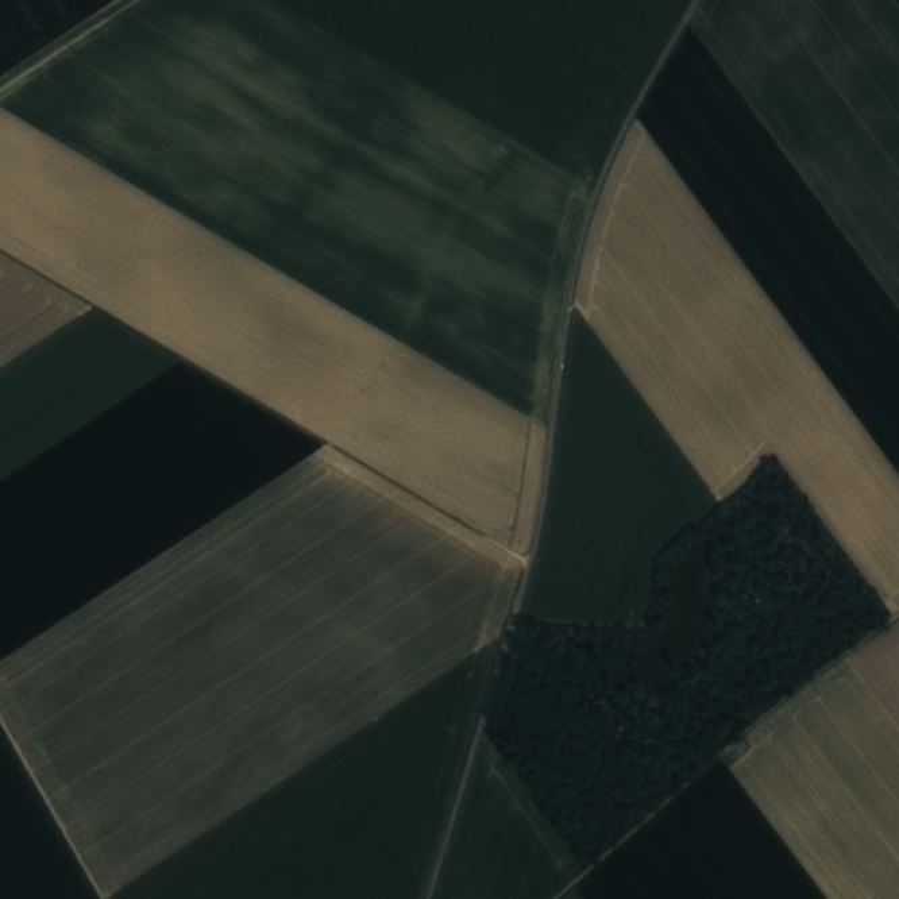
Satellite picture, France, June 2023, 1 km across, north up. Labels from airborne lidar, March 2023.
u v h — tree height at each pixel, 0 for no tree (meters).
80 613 0
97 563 0
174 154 0
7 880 0
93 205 0
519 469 0
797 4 0
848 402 0
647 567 0
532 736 23
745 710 20
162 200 0
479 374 0
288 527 0
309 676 0
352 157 0
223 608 0
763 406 0
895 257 0
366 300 0
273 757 0
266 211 0
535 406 0
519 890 0
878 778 0
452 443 0
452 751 0
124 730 0
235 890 0
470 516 0
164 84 0
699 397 0
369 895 0
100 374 0
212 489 0
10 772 0
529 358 0
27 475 0
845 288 0
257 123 0
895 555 0
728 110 0
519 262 0
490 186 0
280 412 0
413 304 0
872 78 0
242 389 0
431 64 0
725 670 24
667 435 0
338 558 0
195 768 0
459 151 0
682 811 0
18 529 0
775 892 0
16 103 0
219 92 0
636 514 0
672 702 19
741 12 0
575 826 17
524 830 0
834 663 0
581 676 23
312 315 0
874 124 0
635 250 0
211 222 0
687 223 0
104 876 0
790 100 0
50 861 0
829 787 0
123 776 0
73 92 0
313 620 0
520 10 0
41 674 0
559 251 0
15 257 0
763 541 20
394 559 0
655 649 0
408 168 0
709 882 0
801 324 0
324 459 0
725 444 0
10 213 0
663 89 0
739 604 25
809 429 0
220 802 0
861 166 0
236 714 0
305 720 0
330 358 0
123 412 0
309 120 0
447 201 0
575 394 0
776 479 13
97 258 0
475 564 0
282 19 0
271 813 0
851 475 0
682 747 10
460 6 0
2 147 0
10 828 0
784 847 0
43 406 0
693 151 0
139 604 0
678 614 0
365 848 0
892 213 0
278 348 0
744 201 0
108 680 0
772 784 0
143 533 0
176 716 0
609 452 0
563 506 0
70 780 0
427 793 0
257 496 0
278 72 0
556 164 0
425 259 0
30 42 0
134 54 0
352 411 0
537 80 0
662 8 0
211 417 0
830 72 0
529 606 0
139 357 0
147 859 0
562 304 0
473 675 0
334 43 0
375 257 0
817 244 0
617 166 0
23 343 0
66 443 0
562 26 0
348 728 0
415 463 0
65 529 0
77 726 0
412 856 0
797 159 0
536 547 0
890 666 0
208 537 0
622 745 25
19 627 0
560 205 0
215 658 0
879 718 0
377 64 0
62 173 0
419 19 0
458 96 0
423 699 0
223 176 0
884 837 0
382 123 0
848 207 0
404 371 0
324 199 0
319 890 0
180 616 0
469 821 0
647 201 0
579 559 0
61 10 0
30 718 0
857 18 0
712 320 0
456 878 0
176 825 0
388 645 0
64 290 0
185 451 0
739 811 0
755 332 0
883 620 17
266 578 0
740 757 0
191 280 0
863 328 0
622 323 0
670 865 0
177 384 0
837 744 0
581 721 23
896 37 0
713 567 21
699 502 0
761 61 0
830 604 27
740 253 0
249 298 0
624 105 0
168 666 0
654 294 0
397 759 0
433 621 0
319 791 0
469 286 0
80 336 0
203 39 0
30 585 0
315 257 0
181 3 0
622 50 0
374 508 0
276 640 0
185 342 0
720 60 0
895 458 0
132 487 0
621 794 23
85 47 0
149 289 0
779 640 19
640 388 0
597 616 0
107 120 0
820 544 6
